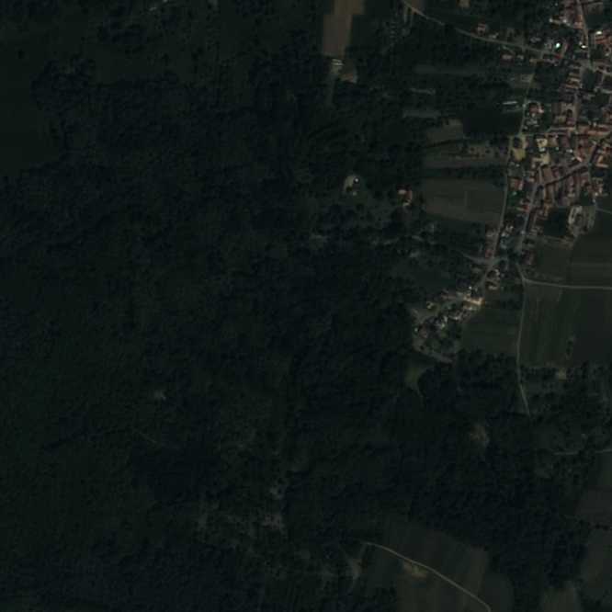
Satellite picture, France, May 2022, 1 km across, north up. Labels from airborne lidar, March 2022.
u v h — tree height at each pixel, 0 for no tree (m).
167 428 27
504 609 0
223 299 20
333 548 12
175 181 23
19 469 29
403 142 0
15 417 24
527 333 0
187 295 28
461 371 0
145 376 21
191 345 26
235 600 21
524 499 30
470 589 0
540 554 23
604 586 0
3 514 27
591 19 0
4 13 32
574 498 0
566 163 0
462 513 28
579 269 0
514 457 22
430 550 0
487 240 0
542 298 0
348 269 23
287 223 28
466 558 0
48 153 0
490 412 21
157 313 24
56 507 21
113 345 30
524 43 0
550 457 12
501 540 25
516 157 0
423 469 27
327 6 0
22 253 25
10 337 22
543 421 9
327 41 0
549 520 27
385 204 0
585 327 0
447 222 0
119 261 10
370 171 17
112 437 19
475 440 0
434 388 24
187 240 25
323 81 6
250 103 0
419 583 0
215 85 10
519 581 12
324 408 28
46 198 22
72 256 22
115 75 0
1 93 0
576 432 0
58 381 27
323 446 17
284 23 0
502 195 0
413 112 0
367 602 6
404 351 14
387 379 24
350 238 19
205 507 7
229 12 0
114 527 20
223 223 28
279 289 27
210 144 23
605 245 0
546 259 0
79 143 19
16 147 0
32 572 15
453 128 0
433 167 0
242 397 22
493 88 15
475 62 9
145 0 0
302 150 17
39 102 16
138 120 28
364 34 0
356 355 25
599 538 0
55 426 25
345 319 24
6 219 25
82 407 25
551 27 7
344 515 21
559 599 0
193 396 24
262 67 20
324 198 9
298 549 7
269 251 22
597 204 0
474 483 28
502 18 0
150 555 24
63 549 24
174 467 17
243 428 22
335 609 14
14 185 11
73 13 0
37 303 27
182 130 24
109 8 11
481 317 0
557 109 0
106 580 26
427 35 0
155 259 29
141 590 28
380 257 19
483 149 0
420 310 0
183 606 26
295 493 22
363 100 17
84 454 22
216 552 16
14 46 0
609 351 0
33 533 22
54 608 23
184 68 0
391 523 0
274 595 6
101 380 25
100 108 26
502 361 12
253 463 20
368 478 23
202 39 0
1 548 27
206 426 20
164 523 21
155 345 22
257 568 5
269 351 24
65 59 0
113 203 10
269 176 26
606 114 0
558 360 0
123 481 25
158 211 7
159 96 26
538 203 0
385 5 0
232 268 0
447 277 0
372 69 15
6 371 14
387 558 0
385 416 24
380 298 17
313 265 26
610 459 0
